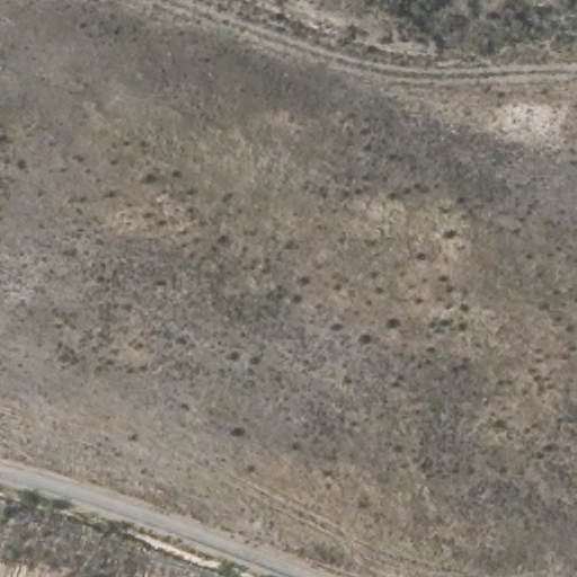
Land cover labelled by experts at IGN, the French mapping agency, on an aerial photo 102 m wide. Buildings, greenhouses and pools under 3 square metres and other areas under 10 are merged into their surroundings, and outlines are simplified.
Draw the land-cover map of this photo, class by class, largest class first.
<instances>
[{"label":"herbaceous vegetation","instance_id":"1","mask_svg":"<svg viewBox=\"0 0 577 577\"><path fill-rule=\"evenodd\" d=\"M356 36H367L365 29L316 20V27L311 29L295 18H289L286 14H273L268 9L257 7V0H0V460H11L32 469L52 471L56 476L72 478L81 485L110 489L117 496L149 503L160 514L189 516L210 530L225 532L232 541L241 536L243 545L250 548L268 545L275 552L293 554L307 561L331 563L329 577H577V43L563 45L557 52L552 41L543 38L498 47L491 56H482L467 43H462L455 50L435 47V56L381 52L372 45L356 43ZM561 101L570 106L566 122L559 131H548L545 135H536L532 126L505 131L503 119L496 113L507 104H541L548 108H561ZM0 563L27 566L25 577H252L243 566L225 561L221 557H212L210 552H201L194 545L185 543L180 536L158 534L153 530H144L140 525L124 521H104L99 514L81 512L70 500L47 498L36 491L0 485Z\"/></svg>","mask_w":577,"mask_h":577},{"label":"brushwood","instance_id":"2","mask_svg":"<svg viewBox=\"0 0 577 577\"><path fill-rule=\"evenodd\" d=\"M316 9L334 11L338 16H376L381 23L383 43H392V32L399 29V41L419 45L435 43V47L455 50L462 43H467L482 56H491L498 47L543 38L552 41L557 52L563 45L577 43V0H309Z\"/></svg>","mask_w":577,"mask_h":577},{"label":"impervious surface","instance_id":"3","mask_svg":"<svg viewBox=\"0 0 577 577\"><path fill-rule=\"evenodd\" d=\"M0 485L36 491L47 498L70 500L81 512L99 514L104 521H124L140 525L144 530H153L158 534L180 536L185 543L194 545L201 552H210L212 557H221L225 561L243 566L252 577H329L331 563L307 561L293 554L275 552L268 545L250 548L243 545L241 536L232 541L225 532L210 530L189 516L160 514L149 503L117 496L110 489L81 485L72 478L56 476L52 471L32 469L11 460H0Z\"/></svg>","mask_w":577,"mask_h":577},{"label":"pervious surface","instance_id":"4","mask_svg":"<svg viewBox=\"0 0 577 577\"><path fill-rule=\"evenodd\" d=\"M257 7L268 9L273 14H286L289 18H295L311 29L316 27V20L365 29L367 36H356V43L372 45L381 52L435 56V43L419 45L399 41V29L392 32V43H383L381 23L376 16H338L334 11L316 9L309 0H257ZM570 106L561 101V108H548L541 104H507L496 113L503 119L505 131L532 126L536 135H545L548 131H559L566 122ZM27 566L0 563V577H25Z\"/></svg>","mask_w":577,"mask_h":577}]
</instances>
